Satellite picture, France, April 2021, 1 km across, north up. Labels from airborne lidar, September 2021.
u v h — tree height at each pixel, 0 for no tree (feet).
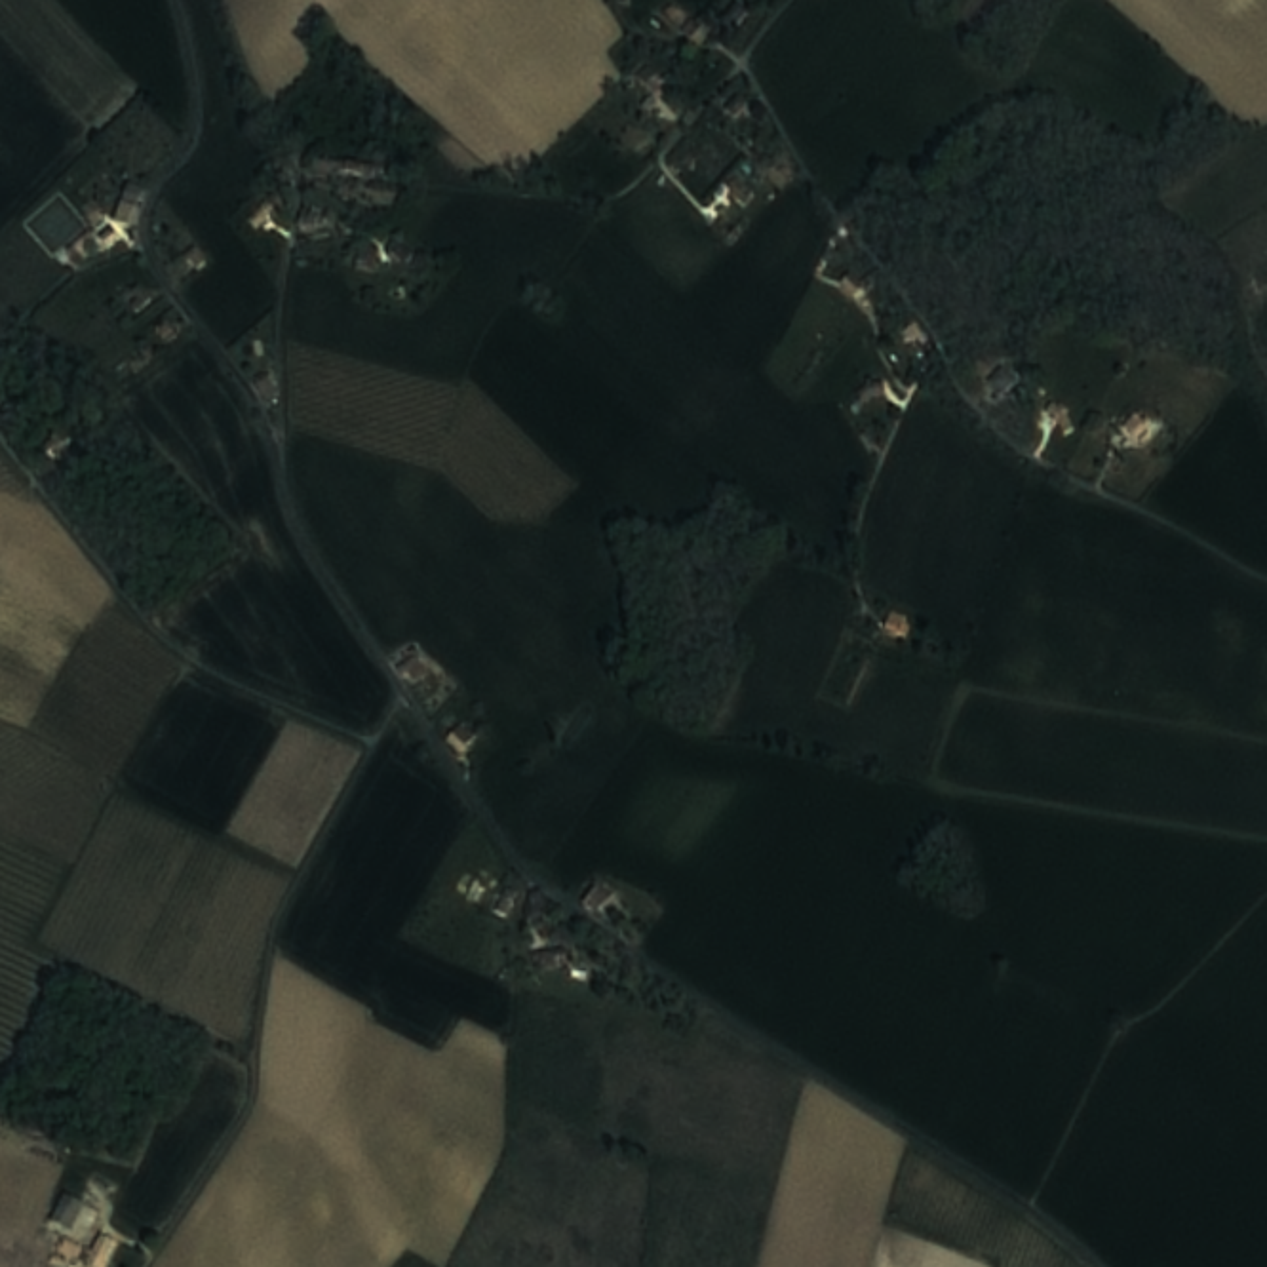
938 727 0
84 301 0
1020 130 68
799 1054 0
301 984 0
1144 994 0
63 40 0
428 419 0
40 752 0
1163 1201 0
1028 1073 0
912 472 0
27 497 0
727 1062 0
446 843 0
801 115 0
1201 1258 0
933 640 59
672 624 47
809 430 0
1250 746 0
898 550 0
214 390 0
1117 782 0
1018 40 66
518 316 0
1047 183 60
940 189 89
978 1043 0
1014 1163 0
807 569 86
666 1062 0
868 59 0
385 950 0
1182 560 0
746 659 62
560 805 0
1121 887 0
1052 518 0
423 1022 0
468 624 0
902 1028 0
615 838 0
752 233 0
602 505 0
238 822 0
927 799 0
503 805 0
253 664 0
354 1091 0
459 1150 0
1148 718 0
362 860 0
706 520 45
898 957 0
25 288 0
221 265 0
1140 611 0
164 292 0
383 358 0
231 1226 0
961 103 0
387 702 0
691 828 0
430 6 0
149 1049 80
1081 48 0
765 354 0
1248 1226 0
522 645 0
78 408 104
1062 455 0
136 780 0
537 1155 0
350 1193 0
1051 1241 0
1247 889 0
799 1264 0
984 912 46
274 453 0
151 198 0
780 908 0
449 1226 0
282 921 0
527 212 0
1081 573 0
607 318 0
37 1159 0
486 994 0
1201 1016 0
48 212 0
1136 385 0
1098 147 56
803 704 0
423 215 0
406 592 0
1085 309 57
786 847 0
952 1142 0
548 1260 0
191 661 0
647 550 70
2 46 0
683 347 0
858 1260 0
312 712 0
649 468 0
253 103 68
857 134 0
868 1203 0
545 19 0
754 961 0
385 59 0
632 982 36
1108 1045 0
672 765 0
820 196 46
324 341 0
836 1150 0
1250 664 0
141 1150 51
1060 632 0
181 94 0
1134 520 0
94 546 35
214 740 0
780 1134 0
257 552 0
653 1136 0
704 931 0
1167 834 0
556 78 0
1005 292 60
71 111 0
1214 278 49
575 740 0
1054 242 69
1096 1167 0
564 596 0
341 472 0
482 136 0
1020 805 0
